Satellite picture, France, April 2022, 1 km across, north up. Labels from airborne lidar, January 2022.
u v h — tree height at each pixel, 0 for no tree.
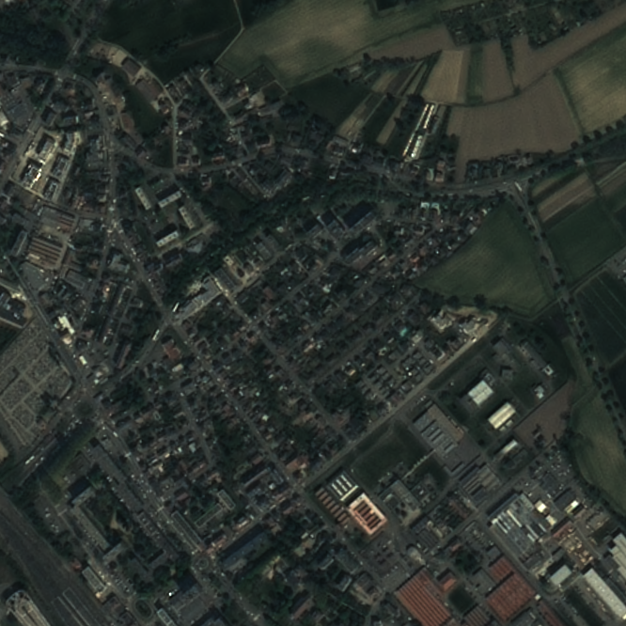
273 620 11
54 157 0
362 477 0
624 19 0
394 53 0
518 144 0
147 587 13
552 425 6
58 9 15
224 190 14
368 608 7
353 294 0
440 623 0
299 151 0
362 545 10
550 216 0
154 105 0
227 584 0
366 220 0
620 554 0
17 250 0
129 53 0
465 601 0
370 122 0
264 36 0
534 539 0
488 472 0
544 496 0
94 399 0
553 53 0
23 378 0
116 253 0
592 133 0
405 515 8
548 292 0
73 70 13
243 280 0
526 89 0
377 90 0
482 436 0
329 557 0
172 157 0
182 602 0
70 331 0
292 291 0
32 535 0
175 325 0
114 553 0
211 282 0
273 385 7
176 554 0
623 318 0
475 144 0
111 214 0
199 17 0
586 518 0
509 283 0
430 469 0
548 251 0
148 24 0
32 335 0
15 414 0
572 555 0
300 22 0
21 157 0
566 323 0
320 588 22
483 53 0
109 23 0
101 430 0
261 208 6
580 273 0
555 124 0
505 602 0
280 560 0
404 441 0
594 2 9
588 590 0
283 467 0
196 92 14
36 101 7
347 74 12
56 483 19
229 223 11
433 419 0
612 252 0
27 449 0
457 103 0
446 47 0
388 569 0
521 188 0
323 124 14
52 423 0
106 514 11
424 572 0
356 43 0
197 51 0
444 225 0
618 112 0
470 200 11
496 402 0
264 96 0
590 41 0
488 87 0
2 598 0
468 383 0
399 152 0
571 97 0
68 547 8
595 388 0
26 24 25
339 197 13
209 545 0
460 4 0
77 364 0
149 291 0
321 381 0
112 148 0
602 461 0
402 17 0
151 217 0
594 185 0
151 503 0
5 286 0
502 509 0
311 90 0
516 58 0
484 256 0
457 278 0
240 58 0
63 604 0
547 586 16
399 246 8
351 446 0
